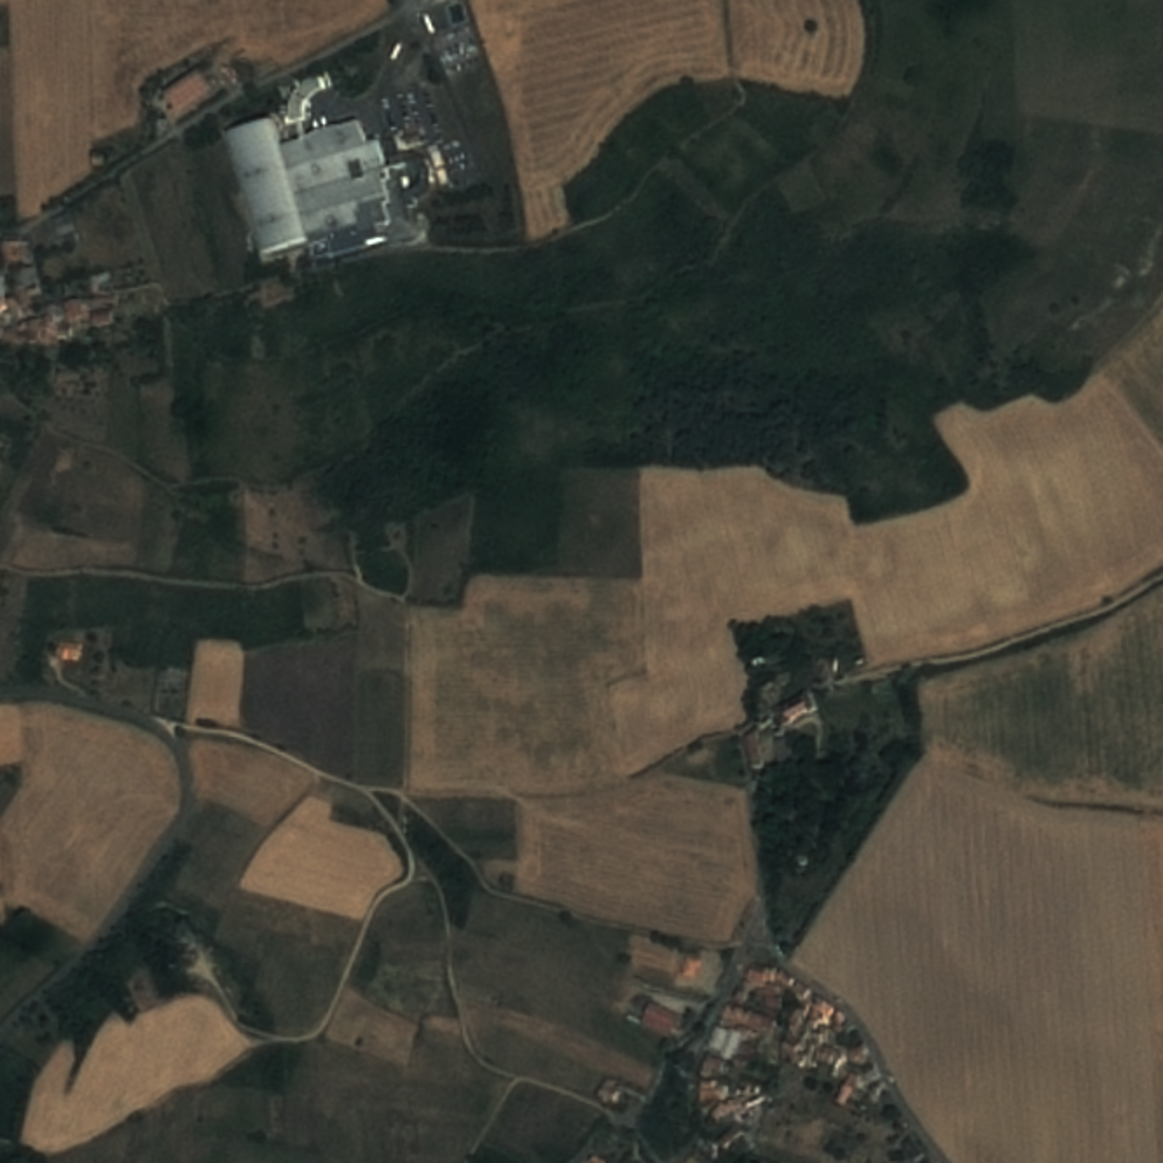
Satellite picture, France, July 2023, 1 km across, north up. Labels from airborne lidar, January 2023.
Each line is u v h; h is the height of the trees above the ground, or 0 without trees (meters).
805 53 0
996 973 0
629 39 0
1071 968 0
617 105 0
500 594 0
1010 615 0
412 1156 0
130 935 6
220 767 0
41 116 0
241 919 0
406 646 0
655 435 15
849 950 0
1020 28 0
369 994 0
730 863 0
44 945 0
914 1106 0
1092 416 0
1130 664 0
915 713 9
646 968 0
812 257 7
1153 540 0
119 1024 0
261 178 0
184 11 0
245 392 0
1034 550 0
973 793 0
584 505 0
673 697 0
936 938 0
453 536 0
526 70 0
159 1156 0
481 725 0
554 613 0
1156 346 0
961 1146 0
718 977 0
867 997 0
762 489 0
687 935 0
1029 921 0
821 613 9
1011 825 0
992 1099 0
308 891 0
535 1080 0
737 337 12
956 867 0
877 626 0
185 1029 0
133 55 0
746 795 0
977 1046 0
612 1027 0
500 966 0
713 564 0
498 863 0
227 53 0
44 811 0
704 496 0
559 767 0
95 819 0
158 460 0
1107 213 0
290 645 0
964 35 0
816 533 0
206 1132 0
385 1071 0
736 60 0
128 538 0
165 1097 0
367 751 0
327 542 0
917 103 0
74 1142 0
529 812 0
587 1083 0
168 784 0
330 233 0
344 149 0
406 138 0
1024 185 0
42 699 0
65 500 0
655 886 0
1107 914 0
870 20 8
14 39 0
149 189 0
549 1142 0
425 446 13
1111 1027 0
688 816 0
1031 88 0
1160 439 0
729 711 0
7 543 0
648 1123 6
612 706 0
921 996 0
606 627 0
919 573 0
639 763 0
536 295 12
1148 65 0
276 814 0
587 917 0
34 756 0
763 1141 0
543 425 0
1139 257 0
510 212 7
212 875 0
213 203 0
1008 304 0
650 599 0
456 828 0
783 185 0
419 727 0
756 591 0
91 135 0
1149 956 0
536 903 0
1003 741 0
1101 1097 0
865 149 0
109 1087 0
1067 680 0
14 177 0
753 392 18
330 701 0
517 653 0
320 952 0
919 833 0
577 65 0
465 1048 0
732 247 7
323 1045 0
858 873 0
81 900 0
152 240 0
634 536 0
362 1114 0
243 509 0
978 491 0
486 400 13
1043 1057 0
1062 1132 0
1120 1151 0
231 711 0
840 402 14
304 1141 0
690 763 0
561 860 0
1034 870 0
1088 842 0
